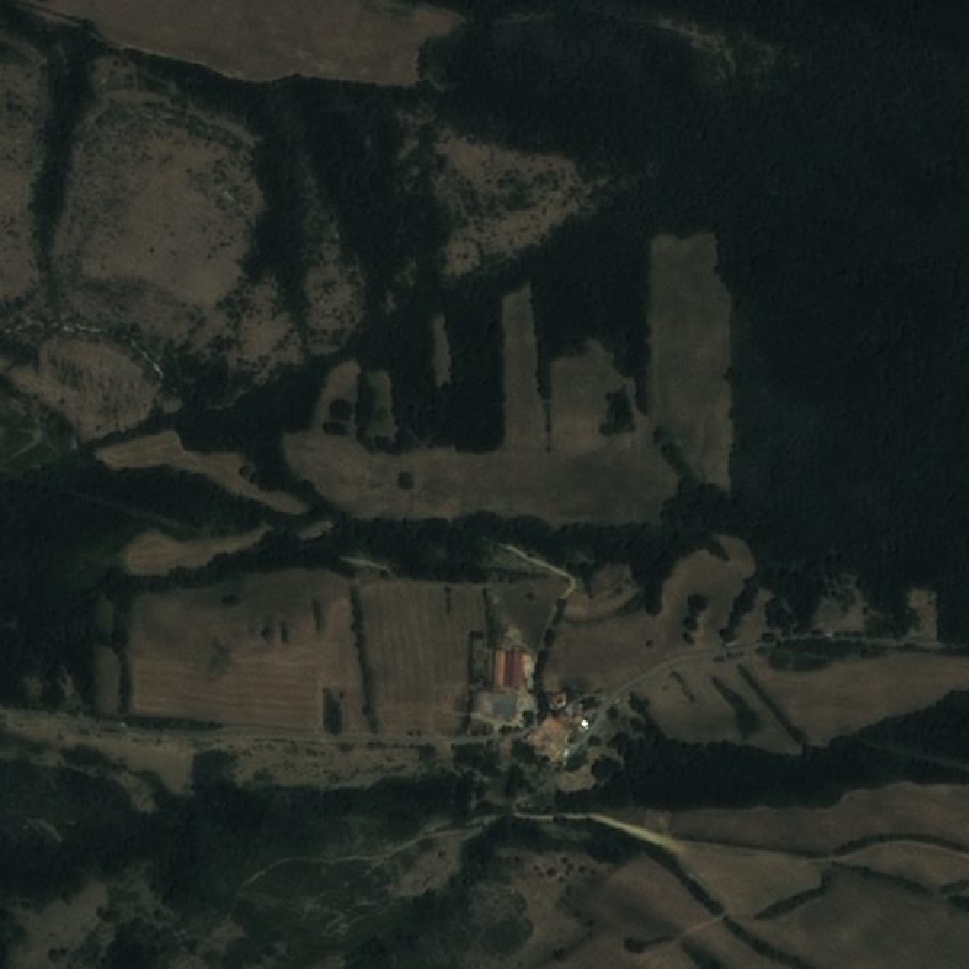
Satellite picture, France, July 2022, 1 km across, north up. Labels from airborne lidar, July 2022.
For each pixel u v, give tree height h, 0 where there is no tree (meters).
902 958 0
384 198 11
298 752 0
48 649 10
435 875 0
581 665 0
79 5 0
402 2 0
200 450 9
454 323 16
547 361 12
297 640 0
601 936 0
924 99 12
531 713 8
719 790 11
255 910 0
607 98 8
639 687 0
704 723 0
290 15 0
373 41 0
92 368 0
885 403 13
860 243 20
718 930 0
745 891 0
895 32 18
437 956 0
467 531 10
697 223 17
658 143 12
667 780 18
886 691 0
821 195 21
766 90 6
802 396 8
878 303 20
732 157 12
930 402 14
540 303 15
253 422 14
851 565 16
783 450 8
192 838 15
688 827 0
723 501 16
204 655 0
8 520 17
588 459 0
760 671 0
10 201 0
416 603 0
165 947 8
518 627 0
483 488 0
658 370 0
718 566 0
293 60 0
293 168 7
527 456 0
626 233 15
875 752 17
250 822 9
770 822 0
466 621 0
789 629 9
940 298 21
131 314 0
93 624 15
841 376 10
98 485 15
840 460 10
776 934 0
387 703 0
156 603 0
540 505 0
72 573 9
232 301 6
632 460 0
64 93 9
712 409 0
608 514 0
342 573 9
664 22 0
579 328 10
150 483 15
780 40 9
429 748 7
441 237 6
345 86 6
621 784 17
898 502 16
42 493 15
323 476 0
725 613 0
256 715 0
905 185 20
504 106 9
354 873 0
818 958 0
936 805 0
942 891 6
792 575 15
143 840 16
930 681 0
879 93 11
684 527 8
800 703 0
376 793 8
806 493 8
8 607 13
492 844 8
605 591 0
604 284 16
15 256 0
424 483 0
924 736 19
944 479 11
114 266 0
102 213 0
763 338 10
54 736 0
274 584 0
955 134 12
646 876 0
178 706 0
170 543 0
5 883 11
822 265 20
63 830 8
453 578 10
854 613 0
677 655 0
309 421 13
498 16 7
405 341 14
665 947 0
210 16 0
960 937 0
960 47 20
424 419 11
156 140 0
